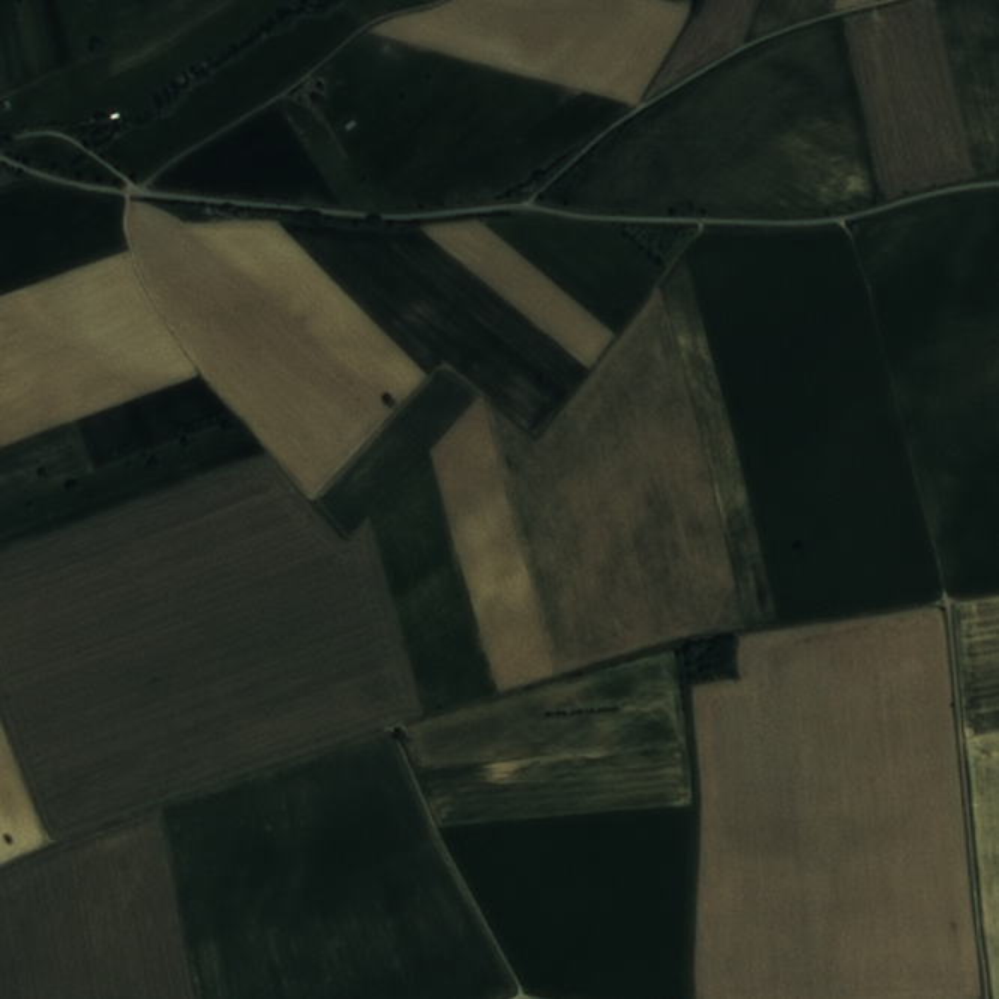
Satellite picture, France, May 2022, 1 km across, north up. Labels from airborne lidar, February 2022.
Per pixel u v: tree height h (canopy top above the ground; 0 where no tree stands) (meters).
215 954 0
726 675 10
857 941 0
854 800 0
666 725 0
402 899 0
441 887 0
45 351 0
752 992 0
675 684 0
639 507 0
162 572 0
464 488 0
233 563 0
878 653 0
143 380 0
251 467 0
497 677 0
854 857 0
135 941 0
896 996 0
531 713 0
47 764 0
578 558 0
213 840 0
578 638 0
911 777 0
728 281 0
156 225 0
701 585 0
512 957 0
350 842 0
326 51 0
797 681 0
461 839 0
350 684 0
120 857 0
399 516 0
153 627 0
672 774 0
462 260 0
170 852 0
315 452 0
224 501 0
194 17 0
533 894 0
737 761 0
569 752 0
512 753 0
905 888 0
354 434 0
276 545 0
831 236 0
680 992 0
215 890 0
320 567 0
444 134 0
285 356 0
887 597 0
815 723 0
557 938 0
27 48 0
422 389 0
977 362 0
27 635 0
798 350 0
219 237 0
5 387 0
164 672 0
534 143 0
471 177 0
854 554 0
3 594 0
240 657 0
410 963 0
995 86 0
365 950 0
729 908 0
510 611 0
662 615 0
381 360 0
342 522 0
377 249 0
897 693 0
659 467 0
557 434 0
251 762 0
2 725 0
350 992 0
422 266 0
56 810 0
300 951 0
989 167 0
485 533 0
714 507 0
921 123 0
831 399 0
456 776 0
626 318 0
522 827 0
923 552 0
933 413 0
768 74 0
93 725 0
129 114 0
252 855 0
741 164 0
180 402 0
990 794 0
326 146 0
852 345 0
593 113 0
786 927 0
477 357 0
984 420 0
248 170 0
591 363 0
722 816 0
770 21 0
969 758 0
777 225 0
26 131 6
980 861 0
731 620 0
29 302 0
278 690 0
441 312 0
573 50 0
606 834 0
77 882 0
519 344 0
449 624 0
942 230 0
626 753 0
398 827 0
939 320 0
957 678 0
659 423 0
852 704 0
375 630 0
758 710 0
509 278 0
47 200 0
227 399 0
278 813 0
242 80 0
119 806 0
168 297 0
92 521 0
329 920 0
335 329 0
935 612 0
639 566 0
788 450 0
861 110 0
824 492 0
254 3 0
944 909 0
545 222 0
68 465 0
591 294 0
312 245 0
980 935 0
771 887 0
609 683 0
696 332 0
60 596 0
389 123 0
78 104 0
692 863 0
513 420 0
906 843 0
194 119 0
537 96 0
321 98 10
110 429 0
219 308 0
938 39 0
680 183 0
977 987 0
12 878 0
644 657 0
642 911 0
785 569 0
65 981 0
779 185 0
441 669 0
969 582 0
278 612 0
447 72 0
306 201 0
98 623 0
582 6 0
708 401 0
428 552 0
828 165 0
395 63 0
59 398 0
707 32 0
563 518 0
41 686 0
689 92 0
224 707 0
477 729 0
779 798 0
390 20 0
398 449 0
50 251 0
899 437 0
